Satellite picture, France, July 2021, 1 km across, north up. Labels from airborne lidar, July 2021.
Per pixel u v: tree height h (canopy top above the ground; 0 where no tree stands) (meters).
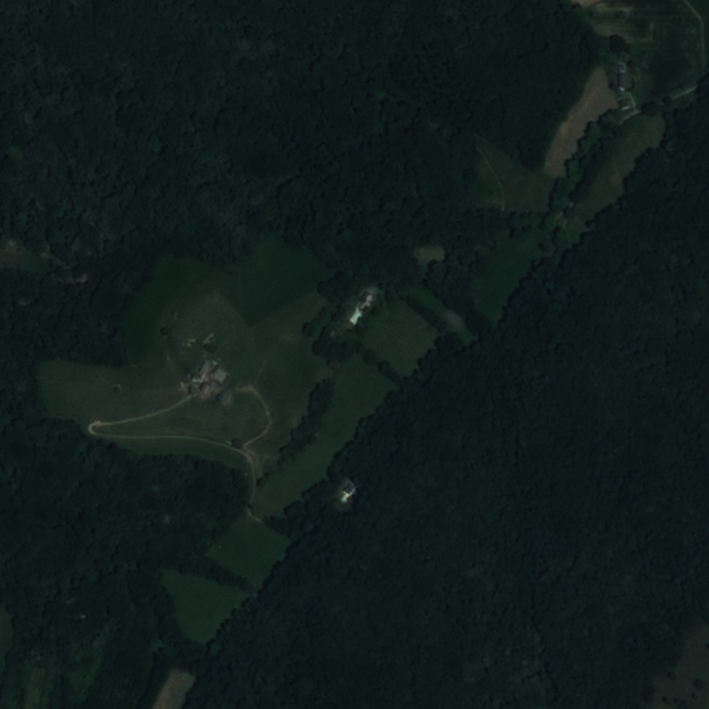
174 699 0
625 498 31
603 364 24
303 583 16
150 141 20
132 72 22
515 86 24
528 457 21
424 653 22
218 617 0
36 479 28
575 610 23
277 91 22
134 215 22
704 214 27
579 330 27
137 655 13
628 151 0
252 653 26
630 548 25
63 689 15
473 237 28
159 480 19
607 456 12
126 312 12
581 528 15
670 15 0
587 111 0
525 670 23
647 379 18
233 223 20
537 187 0
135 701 5
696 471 13
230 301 0
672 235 25
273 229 21
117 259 27
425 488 20
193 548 19
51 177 24
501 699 28
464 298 28
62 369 0
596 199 0
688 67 0
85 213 12
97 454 25
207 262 13
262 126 22
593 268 19
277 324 0
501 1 20
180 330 0
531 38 21
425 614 17
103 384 0
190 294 0
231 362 0
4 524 27
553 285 27
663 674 16
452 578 24
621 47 25
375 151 27
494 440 19
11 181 25
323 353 24
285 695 22
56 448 30
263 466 0
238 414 0
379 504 20
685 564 21
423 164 25
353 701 17
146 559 26
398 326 0
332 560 22
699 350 22
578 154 7
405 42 26
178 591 0
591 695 27
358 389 0
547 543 20
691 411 14
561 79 30
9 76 24
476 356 21
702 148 20
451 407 15
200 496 24
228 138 26
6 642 0
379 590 22
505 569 22
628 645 23
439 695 19
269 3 25
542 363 28
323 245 24
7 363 26
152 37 25
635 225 21
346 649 22
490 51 28
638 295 22
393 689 22
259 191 25
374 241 28
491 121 19
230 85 27
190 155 20
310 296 0
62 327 32
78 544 27
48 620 27
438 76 28
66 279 22
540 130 31
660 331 22
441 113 22
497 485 18
